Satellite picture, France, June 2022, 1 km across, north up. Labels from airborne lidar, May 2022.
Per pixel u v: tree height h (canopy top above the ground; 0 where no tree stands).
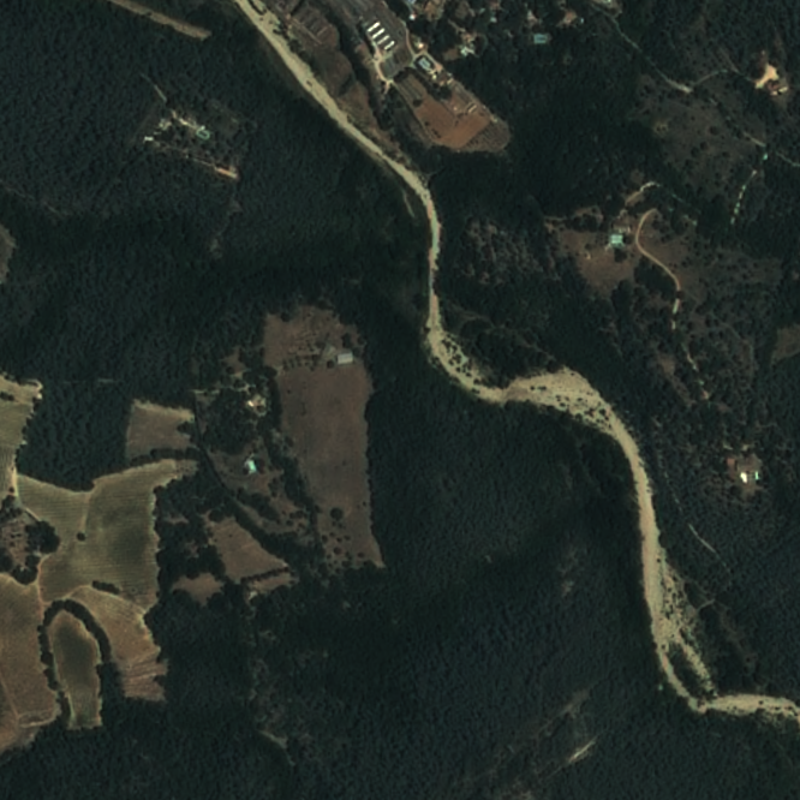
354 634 11
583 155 9
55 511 0
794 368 12
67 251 11
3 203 11
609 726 15
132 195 21
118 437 16
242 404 7
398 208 15
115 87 23
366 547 0
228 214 12
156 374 17
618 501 14
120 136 24
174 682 11
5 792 17
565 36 13
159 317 17
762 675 10
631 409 10
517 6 14
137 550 0
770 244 10
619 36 9
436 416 12
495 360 10
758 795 11
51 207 11
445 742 16
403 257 13
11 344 17
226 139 12
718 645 7
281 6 0
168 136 10
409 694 12
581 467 12
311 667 14
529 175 14
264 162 15
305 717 8
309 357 6
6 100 22
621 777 18
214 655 13
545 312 7
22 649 0
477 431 19
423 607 12
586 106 15
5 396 12
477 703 15
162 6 7
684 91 10
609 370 11
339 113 0
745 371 6
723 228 11
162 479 0
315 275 10
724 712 14
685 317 17
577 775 16
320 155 11
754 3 19
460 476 10
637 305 8
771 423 10
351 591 7
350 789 20
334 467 0
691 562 14
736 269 12
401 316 14
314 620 12
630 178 8
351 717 9
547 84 11
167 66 20
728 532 13
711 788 17
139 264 20
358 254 13
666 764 18
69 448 13
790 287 12
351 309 17
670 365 0
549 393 0
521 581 10
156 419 0
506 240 15
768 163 13
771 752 7
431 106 0
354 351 7
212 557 12
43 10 15
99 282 13
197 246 10
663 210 19
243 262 12
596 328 11
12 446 0
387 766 19
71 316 10
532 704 15
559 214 13
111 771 16
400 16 9
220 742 13
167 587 12
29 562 7
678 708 15
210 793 12
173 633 17
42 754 13
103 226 15
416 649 14
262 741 14
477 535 13
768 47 8
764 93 8
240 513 8
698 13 13
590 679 12
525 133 13
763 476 7
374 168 9
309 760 18
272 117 15
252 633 7
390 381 12
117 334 17
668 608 0
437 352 0
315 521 8
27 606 0
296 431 0
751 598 19
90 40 24
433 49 7
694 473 16
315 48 0
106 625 0
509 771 6
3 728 0
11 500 8
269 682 7
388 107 8
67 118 25
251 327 8
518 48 20
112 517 0
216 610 13
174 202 14
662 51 7
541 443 16
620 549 14
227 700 17
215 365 6
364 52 0
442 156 8
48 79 22
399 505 8
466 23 8
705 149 9
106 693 9
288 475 10
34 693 0
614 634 19
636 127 19
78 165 23
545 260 10
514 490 12
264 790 9
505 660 16
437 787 16
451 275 9
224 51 15
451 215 12
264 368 10
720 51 16
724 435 7
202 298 9
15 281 12
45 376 14
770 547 10
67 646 0
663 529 7
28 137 19
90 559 0
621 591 8
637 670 9
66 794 19
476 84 18
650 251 0
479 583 7
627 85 13
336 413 0
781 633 14
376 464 14
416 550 17
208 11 11
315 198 16
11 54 22
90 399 20
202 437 9
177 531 15
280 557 8
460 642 7
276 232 11
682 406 10
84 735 11
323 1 0
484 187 12
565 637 15
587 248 5
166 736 21
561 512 5
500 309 12
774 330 14
